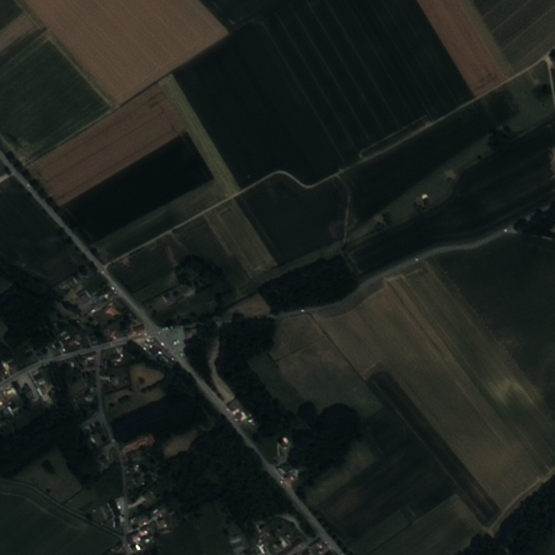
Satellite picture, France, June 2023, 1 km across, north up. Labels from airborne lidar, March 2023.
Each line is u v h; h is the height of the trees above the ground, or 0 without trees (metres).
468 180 0
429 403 0
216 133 0
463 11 0
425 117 0
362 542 0
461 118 0
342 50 0
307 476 7
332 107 0
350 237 0
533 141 0
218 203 0
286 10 0
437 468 0
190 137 0
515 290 0
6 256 0
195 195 0
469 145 0
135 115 0
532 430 0
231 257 0
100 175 0
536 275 0
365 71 0
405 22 0
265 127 0
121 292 0
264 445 0
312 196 0
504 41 0
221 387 0
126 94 0
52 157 0
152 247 0
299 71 0
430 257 0
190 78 0
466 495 0
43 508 0
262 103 0
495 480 0
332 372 0
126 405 0
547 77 0
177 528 0
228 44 0
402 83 0
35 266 0
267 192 0
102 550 0
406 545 0
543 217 20
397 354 0
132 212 0
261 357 0
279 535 0
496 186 0
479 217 0
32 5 0
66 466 0
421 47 0
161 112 0
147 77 0
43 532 0
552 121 0
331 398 0
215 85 0
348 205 0
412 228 0
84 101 0
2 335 0
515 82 0
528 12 0
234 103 0
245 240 0
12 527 0
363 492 0
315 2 0
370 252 0
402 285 0
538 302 0
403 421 0
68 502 0
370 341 0
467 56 0
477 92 0
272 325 13
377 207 0
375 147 0
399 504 0
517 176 0
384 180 0
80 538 0
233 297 0
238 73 0
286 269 0
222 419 11
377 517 0
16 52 0
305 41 0
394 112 0
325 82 0
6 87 0
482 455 0
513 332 0
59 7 0
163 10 0
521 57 0
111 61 0
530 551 19
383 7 0
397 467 0
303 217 0
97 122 0
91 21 0
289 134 0
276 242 0
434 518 0
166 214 0
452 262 0
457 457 0
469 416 0
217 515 0
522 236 0
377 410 0
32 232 0
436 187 0
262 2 0
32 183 13
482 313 0
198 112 0
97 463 0
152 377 0
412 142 0
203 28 0
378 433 0
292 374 0
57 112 0
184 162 0
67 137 0
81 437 24
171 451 0
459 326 0
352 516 0
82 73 0
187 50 0
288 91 0
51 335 17
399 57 0
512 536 18
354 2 0
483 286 0
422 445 0
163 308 0
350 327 0
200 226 0
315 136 0
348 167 0
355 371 0
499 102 0
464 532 0
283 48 0
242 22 0
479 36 0
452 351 0
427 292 0
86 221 0
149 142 0
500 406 0
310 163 0
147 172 0
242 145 0
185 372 12
